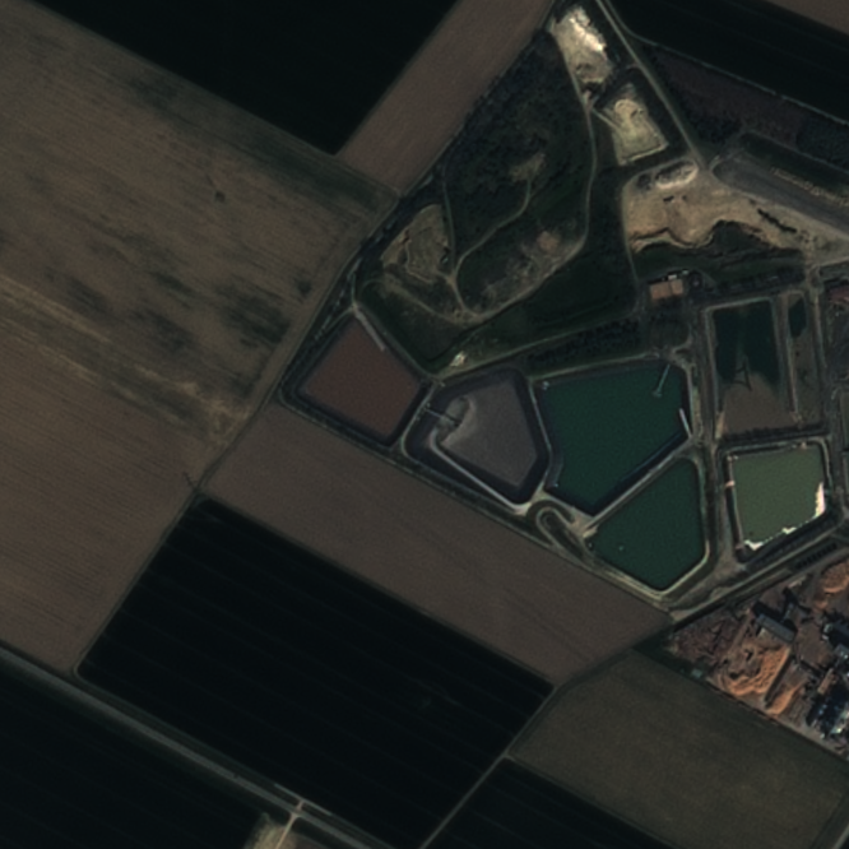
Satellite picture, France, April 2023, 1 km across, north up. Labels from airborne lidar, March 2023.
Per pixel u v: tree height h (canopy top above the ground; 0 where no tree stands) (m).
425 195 6
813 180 0
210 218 0
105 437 0
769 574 0
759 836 0
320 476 0
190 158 0
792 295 0
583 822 0
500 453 0
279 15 0
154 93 0
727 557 0
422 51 0
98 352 0
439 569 0
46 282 0
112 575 0
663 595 0
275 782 0
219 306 0
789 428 0
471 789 0
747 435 0
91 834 0
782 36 0
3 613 0
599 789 0
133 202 0
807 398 0
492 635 0
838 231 0
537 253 0
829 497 0
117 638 0
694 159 0
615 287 0
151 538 0
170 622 0
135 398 0
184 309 0
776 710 0
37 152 0
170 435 0
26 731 0
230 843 0
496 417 0
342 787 0
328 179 0
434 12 0
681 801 0
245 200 0
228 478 0
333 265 0
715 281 0
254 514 0
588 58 0
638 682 0
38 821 0
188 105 0
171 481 0
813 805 0
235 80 0
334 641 0
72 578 0
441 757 0
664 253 0
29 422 0
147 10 0
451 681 0
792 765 0
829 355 0
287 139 0
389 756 0
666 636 0
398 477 0
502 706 0
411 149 0
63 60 0
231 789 0
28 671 0
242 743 0
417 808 0
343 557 0
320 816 0
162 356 0
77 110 0
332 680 0
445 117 0
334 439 0
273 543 0
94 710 0
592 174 0
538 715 0
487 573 0
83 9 0
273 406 0
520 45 0
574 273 0
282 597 0
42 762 0
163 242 0
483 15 0
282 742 0
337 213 0
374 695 0
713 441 0
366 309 0
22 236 0
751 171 0
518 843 0
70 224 0
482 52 0
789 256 0
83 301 0
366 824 0
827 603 0
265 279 0
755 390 0
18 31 0
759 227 0
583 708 0
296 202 0
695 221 0
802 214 0
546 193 0
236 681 0
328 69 0
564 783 0
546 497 0
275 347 0
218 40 0
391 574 0
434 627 0
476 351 0
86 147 0
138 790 0
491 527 0
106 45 0
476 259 0
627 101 0
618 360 0
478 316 0
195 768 0
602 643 0
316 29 0
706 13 0
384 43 0
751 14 0
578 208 0
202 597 0
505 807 0
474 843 0
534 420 0
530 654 0
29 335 0
